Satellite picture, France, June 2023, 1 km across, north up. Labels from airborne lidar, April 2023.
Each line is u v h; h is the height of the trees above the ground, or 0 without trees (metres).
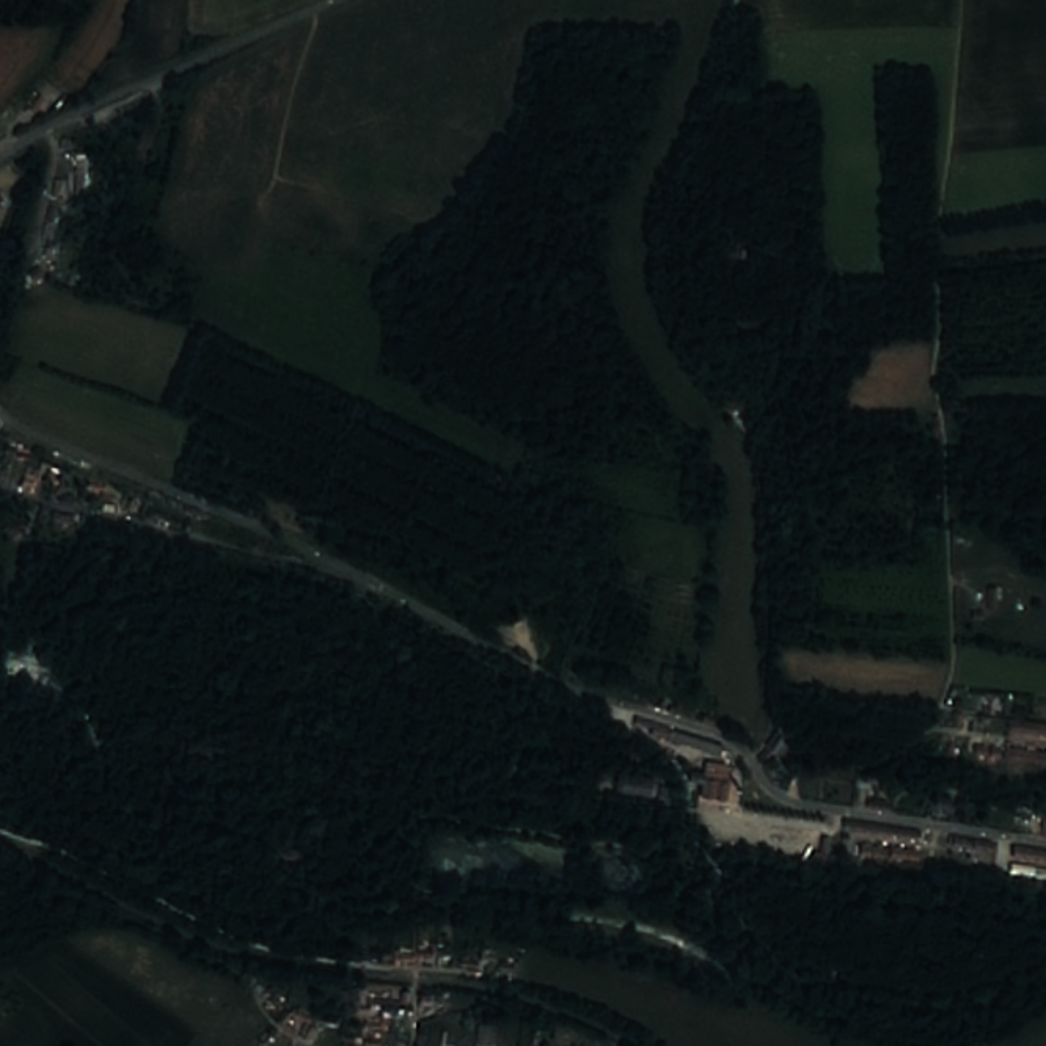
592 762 15
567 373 21
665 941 0
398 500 21
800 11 0
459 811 17
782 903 23
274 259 0
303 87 0
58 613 18
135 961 0
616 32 21
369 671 22
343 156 0
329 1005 8
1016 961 21
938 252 13
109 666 21
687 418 0
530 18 0
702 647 16
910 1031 19
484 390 22
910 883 20
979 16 0
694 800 0
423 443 11
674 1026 0
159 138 0
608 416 23
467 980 7
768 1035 0
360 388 0
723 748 0
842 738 14
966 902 23
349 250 0
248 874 19
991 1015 22
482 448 0
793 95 6
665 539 0
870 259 0
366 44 0
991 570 0
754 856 8
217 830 26
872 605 0
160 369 0
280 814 21
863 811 0
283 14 0
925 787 20
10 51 0
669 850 17
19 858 22
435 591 19
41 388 0
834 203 0
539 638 0
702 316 19
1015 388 0
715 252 19
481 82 0
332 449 21
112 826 20
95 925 7
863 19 0
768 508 19
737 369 9
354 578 0
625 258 0
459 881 18
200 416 15
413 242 6
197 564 18
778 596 22
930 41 0
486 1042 0
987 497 19
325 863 20
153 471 0
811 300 23
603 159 24
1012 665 0
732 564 0
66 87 0
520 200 20
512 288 22
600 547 17
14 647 12
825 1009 24
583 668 21
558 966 0
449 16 0
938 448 13
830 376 21
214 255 0
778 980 20
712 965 0
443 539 20
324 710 23
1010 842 0
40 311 0
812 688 8
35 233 0
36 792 22
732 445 0
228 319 0
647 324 0
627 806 20
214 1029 0
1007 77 0
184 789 25
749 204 18
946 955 21
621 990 0
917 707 17
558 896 16
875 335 18
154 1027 0
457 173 0
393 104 0
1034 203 0
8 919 12
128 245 14
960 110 0
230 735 21
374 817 20
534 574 20
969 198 0
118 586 20
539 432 16
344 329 0
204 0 0
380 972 0
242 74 0
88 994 0
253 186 0
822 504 10
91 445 0
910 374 0
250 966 15
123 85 0
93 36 0
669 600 0
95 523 17
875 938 22
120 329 0
